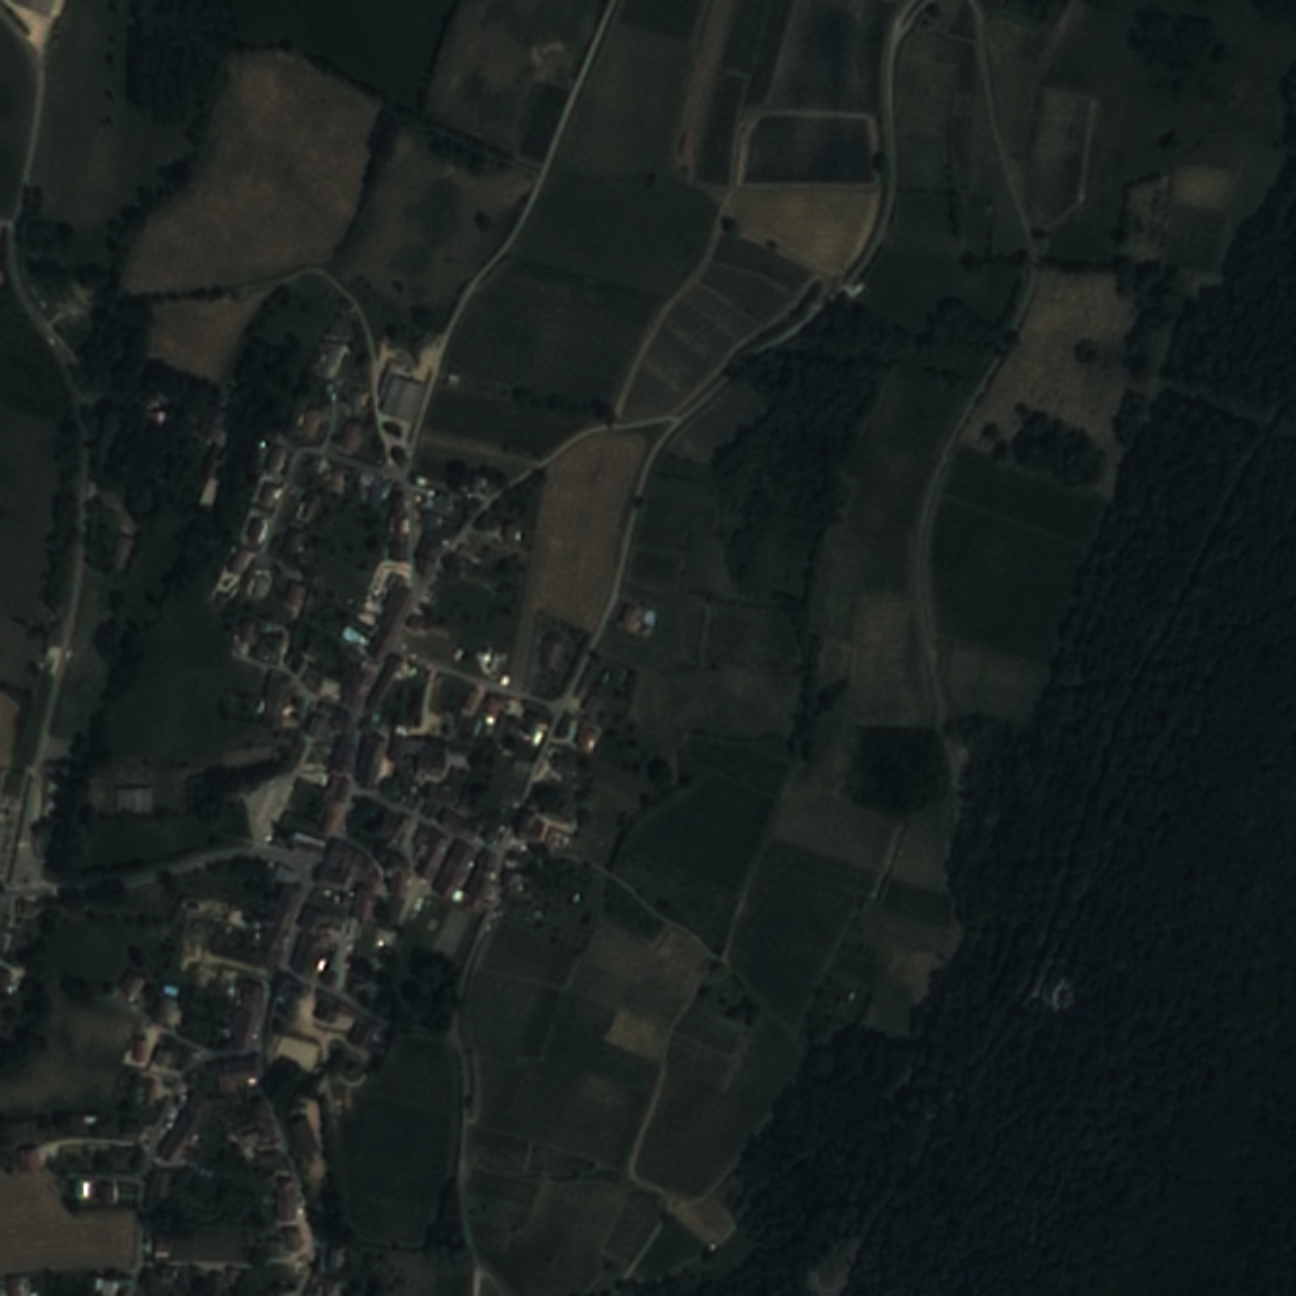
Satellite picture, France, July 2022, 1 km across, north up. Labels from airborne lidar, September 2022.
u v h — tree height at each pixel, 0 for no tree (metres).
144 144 0
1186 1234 15
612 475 0
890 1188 19
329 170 0
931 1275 8
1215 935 14
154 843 0
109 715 12
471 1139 0
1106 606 12
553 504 0
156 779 0
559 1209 0
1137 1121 17
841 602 0
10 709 0
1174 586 14
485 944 0
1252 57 0
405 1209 0
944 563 0
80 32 0
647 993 0
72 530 12
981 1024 24
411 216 0
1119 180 0
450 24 9
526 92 0
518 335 0
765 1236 12
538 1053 0
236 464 11
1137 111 0
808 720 17
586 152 0
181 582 19
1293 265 22
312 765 0
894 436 0
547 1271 0
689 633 0
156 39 31
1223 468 19
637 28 0
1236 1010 15
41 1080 0
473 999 0
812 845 0
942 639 0
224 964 0
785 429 8
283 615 0
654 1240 0
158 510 11
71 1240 0
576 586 0
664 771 14
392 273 0
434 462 0
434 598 0
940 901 0
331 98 0
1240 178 0
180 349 0
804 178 0
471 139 7
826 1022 8
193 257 0
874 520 0
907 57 0
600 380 0
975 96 0
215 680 0
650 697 0
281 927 0
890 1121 14
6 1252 0
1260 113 0
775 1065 0
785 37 0
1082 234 0
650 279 0
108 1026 0
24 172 0
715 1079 0
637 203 0
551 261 0
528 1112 0
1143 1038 12
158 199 15
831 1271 0
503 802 0
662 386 0
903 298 0
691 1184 0
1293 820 13
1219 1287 21
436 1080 0
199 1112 0
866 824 0
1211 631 18
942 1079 16
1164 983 15
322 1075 9
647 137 0
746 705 0
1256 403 15
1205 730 16
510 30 0
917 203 0
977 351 11
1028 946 10
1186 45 19
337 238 0
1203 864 12
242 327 0
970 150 0
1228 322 22
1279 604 15
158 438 16
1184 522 19
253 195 0
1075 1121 15
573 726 0
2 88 0
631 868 0
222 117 0
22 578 0
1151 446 17
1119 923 17
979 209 0
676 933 0
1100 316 0
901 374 0
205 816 15
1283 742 15
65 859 29
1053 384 0
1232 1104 19
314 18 0
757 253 0
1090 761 17
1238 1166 15
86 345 9
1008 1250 19
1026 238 0
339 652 6
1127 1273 14
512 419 0
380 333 0
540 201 0
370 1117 0
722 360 0
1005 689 0
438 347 0
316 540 6
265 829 0
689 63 0
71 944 0
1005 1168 21
